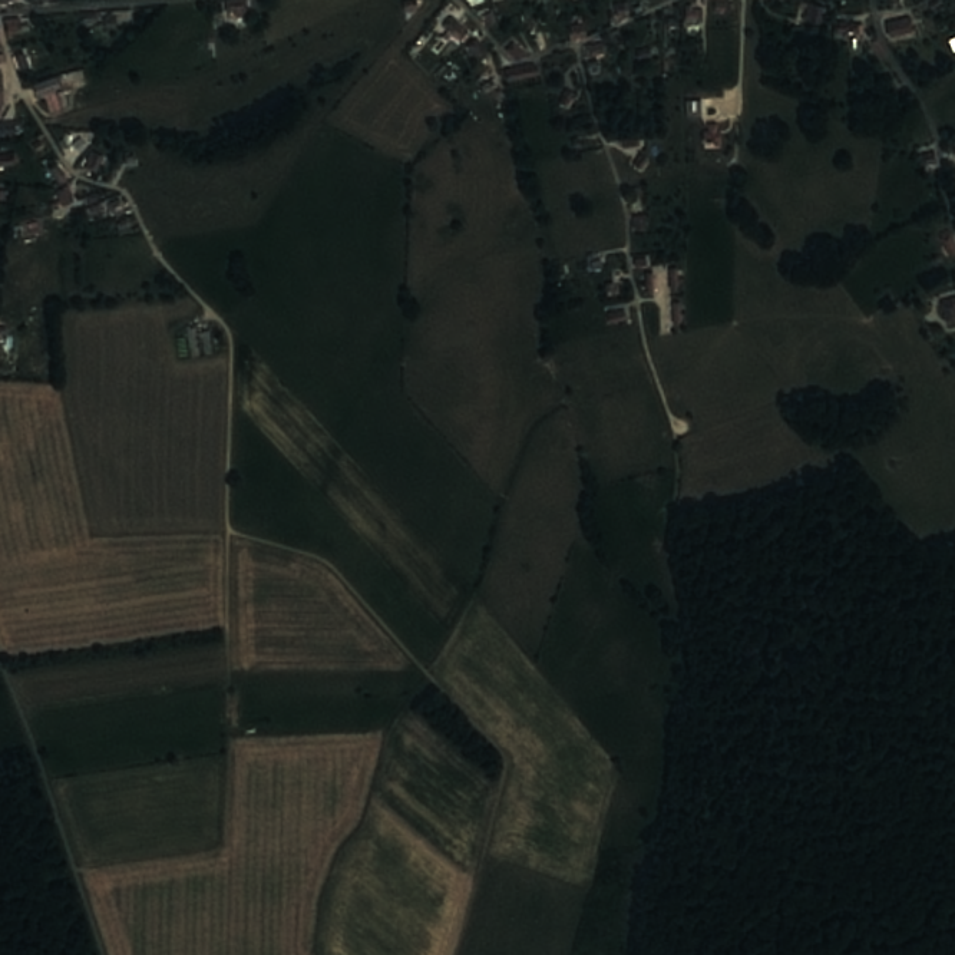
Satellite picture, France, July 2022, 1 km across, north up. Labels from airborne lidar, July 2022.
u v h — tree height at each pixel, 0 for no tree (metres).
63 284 0
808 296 0
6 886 27
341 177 0
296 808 0
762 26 10
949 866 25
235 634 0
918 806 19
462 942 0
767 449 0
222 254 0
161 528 0
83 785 0
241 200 0
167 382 0
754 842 24
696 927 18
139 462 0
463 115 11
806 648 22
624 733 0
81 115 0
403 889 0
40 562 0
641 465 0
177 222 0
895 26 0
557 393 0
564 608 0
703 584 20
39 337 0
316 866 0
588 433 0
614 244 0
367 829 0
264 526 0
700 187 0
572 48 0
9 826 28
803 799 17
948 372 6
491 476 0
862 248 21
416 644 0
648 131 18
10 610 0
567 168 0
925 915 6
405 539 0
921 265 0
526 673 0
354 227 0
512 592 0
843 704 20
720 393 0
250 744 0
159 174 0
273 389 0
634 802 0
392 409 0
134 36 15
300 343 0
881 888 24
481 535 0
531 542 0
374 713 0
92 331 0
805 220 0
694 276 0
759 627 26
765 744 17
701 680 23
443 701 12
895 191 0
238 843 0
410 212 10
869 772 26
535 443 0
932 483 0
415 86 0
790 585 19
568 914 0
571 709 0
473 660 0
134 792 0
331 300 0
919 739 21
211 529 0
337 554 0
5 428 0
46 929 27
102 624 0
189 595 0
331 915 0
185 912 0
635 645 0
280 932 0
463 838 0
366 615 0
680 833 21
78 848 0
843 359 0
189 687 0
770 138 25
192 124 0
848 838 26
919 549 21
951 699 24
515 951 0
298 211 0
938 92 0
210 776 0
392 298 0
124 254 0
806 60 17
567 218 0
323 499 0
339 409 0
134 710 0
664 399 0
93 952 20
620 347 0
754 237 18
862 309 0
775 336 0
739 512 22
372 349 0
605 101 10
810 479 23
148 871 0
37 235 0
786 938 25
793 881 26
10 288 0
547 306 15
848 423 27
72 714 0
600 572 0
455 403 0
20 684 0
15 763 23
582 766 0
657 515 0
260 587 0
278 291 0
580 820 0
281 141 0
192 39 0
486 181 0
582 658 0
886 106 26
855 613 23
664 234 9
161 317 0
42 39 7
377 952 0
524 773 0
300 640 0
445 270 0
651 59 12
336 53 0
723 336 0
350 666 0
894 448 0
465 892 0
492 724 0
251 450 0
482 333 0
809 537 22
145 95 0
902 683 18
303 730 0
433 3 0
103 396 0
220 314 0
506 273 0
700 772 22
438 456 0
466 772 0
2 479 0
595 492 11
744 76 0
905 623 23
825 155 0
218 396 0
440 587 0
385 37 0
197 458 0
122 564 0
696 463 0
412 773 0
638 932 20
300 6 0
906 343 0
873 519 24
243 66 0
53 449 0
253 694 0
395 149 0
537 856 0
